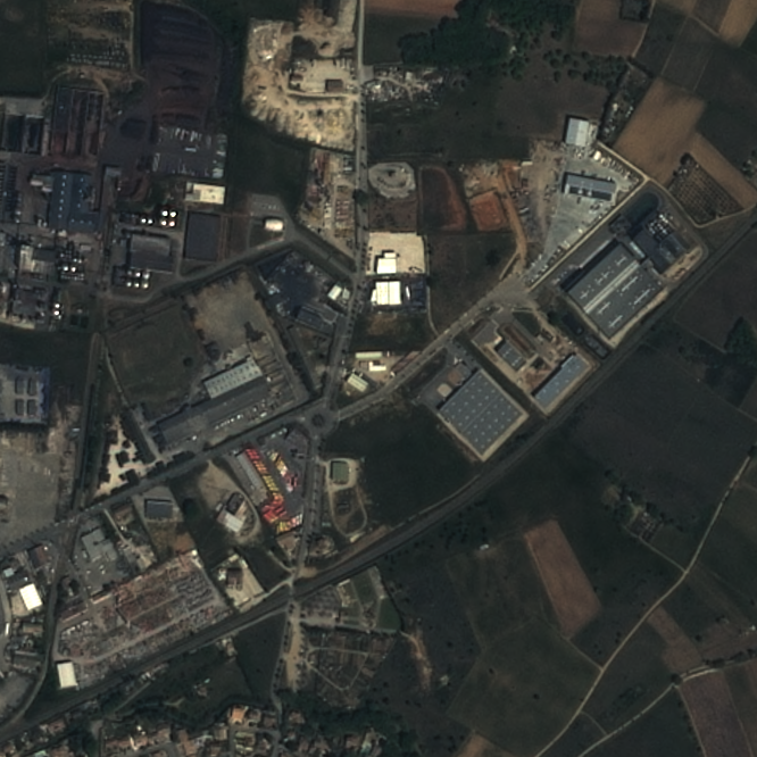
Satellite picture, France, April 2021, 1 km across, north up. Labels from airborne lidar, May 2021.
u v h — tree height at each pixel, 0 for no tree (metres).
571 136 0
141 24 0
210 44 0
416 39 12
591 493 0
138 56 0
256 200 0
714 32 0
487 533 9
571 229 0
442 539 7
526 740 0
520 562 0
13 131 0
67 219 0
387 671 0
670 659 0
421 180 0
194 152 0
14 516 0
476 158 0
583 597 0
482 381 0
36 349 0
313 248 0
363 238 0
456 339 0
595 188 0
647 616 0
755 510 0
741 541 0
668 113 0
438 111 0
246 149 0
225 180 0
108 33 0
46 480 0
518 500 0
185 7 0
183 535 0
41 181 0
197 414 0
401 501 0
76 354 0
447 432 0
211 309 0
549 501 0
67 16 0
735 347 9
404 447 0
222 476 0
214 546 0
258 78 0
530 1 9
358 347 0
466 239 0
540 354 0
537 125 0
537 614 0
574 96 0
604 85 7
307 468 0
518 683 0
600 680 0
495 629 0
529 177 0
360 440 0
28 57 0
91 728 11
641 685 0
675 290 0
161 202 0
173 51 0
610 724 0
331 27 0
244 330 0
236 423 0
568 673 0
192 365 8
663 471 0
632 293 0
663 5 0
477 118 0
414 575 0
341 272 0
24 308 0
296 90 0
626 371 0
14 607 0
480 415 0
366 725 18
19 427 11
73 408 0
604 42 0
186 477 0
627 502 7
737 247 0
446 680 0
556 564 0
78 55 0
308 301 0
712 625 0
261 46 0
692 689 0
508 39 13
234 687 0
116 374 0
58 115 0
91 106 0
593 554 0
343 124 0
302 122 0
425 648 0
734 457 0
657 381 0
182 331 0
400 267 0
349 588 0
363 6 0
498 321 0
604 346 0
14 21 0
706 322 0
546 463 0
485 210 0
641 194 0
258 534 0
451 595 0
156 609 0
